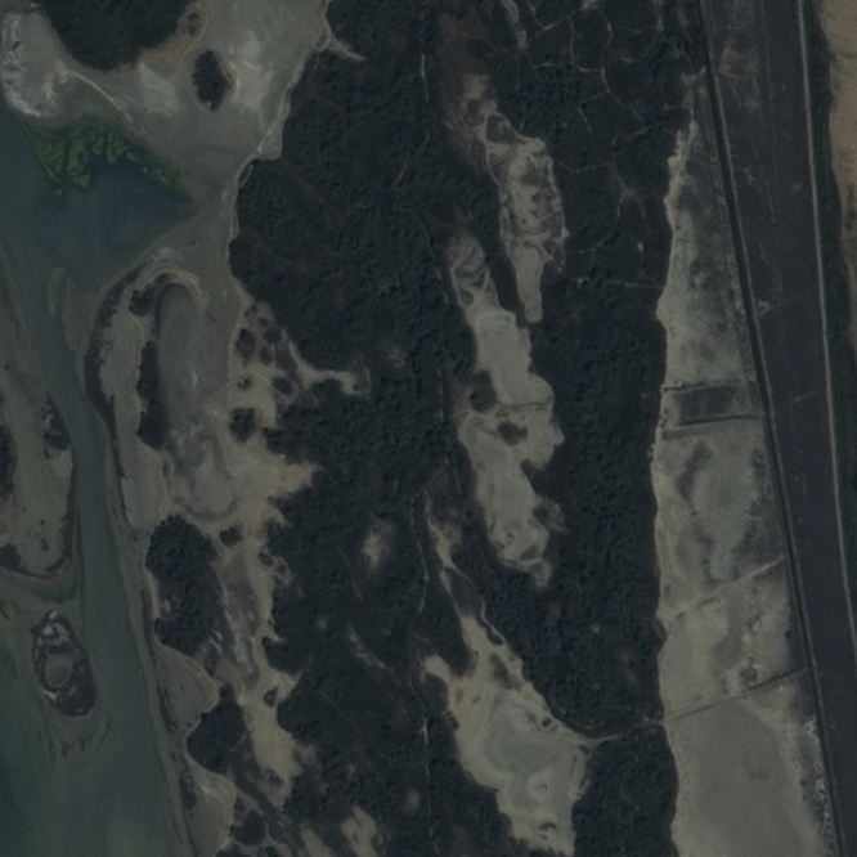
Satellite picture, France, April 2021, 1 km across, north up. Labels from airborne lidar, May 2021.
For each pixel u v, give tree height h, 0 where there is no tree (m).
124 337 0
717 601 0
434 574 0
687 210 0
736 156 0
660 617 0
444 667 0
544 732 0
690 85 0
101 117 0
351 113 9
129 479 0
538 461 0
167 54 0
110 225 0
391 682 0
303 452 0
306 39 0
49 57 0
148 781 0
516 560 0
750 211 0
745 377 0
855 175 0
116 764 0
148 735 0
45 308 0
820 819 0
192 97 0
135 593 0
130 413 0
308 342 9
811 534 0
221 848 0
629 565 8
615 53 0
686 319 0
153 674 0
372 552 0
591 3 0
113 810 0
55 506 0
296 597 0
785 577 0
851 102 0
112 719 0
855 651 0
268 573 0
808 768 0
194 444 0
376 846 0
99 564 0
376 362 0
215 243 0
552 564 0
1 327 0
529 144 0
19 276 0
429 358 10
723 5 0
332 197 6
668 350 0
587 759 0
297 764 0
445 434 7
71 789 0
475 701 0
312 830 0
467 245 0
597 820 8
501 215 0
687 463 0
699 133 0
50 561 0
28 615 0
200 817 0
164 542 8
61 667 0
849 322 0
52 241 0
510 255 0
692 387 0
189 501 0
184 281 0
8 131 0
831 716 0
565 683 11
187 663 0
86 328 0
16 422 0
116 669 0
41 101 0
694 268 0
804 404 0
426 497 0
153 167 0
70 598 0
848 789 0
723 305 0
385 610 0
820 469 0
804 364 0
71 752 0
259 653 0
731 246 0
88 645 0
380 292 6
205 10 0
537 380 0
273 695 0
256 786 0
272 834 0
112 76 0
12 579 0
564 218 0
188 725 0
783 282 0
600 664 6
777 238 0
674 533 0
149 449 0
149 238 0
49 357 0
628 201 0
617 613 6
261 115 0
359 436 6
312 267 0
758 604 0
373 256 9
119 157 0
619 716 0
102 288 0
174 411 0
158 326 0
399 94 6
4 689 0
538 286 0
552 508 0
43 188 0
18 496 0
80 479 0
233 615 0
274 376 0
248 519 0
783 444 0
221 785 0
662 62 8
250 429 5
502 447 0
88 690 0
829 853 0
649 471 0
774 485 0
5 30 0
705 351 0
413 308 9
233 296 0
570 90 9
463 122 0
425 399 6
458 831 0
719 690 0
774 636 0
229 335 0
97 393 0
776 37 0
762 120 0
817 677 0
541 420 0
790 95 0
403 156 8
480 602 0
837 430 0
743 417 0
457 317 9
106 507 0
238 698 0
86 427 0
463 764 0
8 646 0
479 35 0
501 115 0
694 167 0
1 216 0
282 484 0
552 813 0
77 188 0
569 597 5
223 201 0
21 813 0
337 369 0
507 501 0
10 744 0
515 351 0
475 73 0
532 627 11
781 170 0
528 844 0
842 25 0
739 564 0
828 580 0
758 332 0
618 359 9
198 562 7
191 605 7
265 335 0
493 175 0
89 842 0
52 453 0
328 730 5
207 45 0
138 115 0
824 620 0
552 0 7
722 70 0
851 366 0
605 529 9
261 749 0
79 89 0
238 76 0
